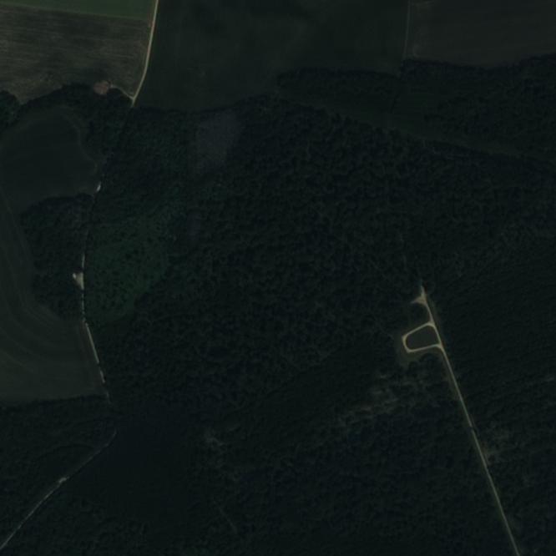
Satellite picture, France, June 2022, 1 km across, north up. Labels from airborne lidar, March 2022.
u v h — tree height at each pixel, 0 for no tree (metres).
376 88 18
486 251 10
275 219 18
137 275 0
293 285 26
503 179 28
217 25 0
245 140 25
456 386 0
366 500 30
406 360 0
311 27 0
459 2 0
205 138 19
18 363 0
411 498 31
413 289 26
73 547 15
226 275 23
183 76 0
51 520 18
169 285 21
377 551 9
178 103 0
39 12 0
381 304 27
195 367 27
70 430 16
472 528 26
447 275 25
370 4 0
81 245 19
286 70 0
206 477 15
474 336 7
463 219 27
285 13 0
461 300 8
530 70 23
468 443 29
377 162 25
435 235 18
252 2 0
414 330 0
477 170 29
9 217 0
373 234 29
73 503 17
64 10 0
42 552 20
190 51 0
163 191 16
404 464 28
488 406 14
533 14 0
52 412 16
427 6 0
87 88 17
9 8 0
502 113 24
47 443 15
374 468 34
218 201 20
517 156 0
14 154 0
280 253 29
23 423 14
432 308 0
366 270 28
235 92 0
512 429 18
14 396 0
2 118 18
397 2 0
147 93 0
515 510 18
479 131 24
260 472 30
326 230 24
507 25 0
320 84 15
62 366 0
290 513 31
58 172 0
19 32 0
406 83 18
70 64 0
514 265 8
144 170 16
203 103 0
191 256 20
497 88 27
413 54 0
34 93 0
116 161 19
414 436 29
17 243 0
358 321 28
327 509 27
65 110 0
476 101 21
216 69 0
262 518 29
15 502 21
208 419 25
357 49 0
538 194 27
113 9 0
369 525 28
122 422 19
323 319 27
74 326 0
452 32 0
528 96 25
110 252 0
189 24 0
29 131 0
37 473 10
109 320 0
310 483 30
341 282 28
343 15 0
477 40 0
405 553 11
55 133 0
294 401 12
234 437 13
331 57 0
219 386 27
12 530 13
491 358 9
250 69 0
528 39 0
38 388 0
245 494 26
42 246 16
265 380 28
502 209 24
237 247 9
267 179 23
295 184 24
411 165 28
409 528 25
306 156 26
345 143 28
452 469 30
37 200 0
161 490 11
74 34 0
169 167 9
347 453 28
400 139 28
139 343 27
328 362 12
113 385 18
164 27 0
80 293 12
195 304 12
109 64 0
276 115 15
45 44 0
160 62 0
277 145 23
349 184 26
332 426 0
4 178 0
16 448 17
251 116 14
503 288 6
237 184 19
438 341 0
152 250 0
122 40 0
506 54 0
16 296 0
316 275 28
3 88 0
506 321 7
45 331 0
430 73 22
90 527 19
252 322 8
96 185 0
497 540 26
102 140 14
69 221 18
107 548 20
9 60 0
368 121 0
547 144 27
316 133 29
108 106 19
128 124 15
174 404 23
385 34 0
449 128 23
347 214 28
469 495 27
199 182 13
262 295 29
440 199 27
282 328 29
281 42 0
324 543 11
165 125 8
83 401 16
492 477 18
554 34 0
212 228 16
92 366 0
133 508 12
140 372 21
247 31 0
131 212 9
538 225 33
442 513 27
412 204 29
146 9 0
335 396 12
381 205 29
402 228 29
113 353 14
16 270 0
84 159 0
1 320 0
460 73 19
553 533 28
